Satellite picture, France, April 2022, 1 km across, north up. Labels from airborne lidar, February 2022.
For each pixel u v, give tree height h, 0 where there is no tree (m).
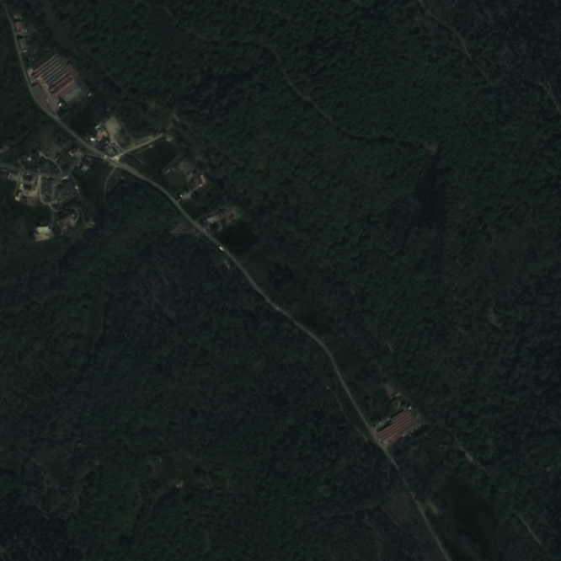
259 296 8
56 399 19
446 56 18
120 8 26
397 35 16
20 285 16
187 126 12
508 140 15
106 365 23
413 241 22
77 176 7
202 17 18
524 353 26
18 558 32
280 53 21
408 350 23
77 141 0
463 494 0
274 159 21
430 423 18
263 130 24
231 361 26
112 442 21
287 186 23
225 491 14
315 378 5
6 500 23
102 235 23
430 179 14
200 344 28
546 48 29
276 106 23
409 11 11
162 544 18
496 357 21
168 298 28
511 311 28
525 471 27
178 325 21
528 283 28
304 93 20
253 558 17
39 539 37
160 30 19
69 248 7
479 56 23
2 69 17
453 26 7
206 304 27
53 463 0
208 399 27
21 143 7
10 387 17
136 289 28
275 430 29
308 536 20
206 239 9
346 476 12
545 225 26
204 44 15
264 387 24
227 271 19
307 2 11
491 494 17
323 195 28
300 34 20
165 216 25
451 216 14
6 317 10
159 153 0
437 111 18
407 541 21
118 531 22
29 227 0
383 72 17
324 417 34
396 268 14
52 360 16
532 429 7
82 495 9
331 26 21
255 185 25
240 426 26
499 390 22
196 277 23
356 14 16
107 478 23
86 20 26
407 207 16
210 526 14
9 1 25
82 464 24
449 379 19
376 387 20
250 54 21
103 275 21
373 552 18
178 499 18
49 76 0
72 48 0
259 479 22
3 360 11
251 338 32
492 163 13
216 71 20
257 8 21
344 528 25
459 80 18
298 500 25
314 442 27
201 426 31
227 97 27
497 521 9
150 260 32
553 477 31
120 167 0
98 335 0
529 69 16
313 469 25
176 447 24
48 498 20
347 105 15
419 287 23
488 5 29
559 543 11
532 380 24
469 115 19
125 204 21
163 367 7
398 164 25
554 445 28
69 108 11
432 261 13
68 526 28
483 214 24
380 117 21
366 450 31
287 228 27
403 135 21
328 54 12
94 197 0
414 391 26
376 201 30
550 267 15
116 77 20
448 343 22
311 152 20
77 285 20
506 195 18
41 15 11
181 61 19
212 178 8
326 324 0
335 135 16
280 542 22
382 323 28
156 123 30
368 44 17
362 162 24
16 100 10
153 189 21
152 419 22
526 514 20
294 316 0
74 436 11
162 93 25
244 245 0
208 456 19
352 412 16
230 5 22
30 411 9
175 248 24
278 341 29
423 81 18
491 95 27
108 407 20
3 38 10
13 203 0
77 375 8
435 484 21
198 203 0
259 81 20
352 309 25
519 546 26
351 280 23
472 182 19
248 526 21
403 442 16
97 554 28
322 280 33
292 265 11
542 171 23
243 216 22
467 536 21
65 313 24
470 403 31
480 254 19
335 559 28
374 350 26
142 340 24
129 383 23
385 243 23
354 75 21
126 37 24
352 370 0
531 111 17
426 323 23
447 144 21
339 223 28
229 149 20
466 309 18
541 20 26
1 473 19
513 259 23
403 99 18
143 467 20
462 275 18
